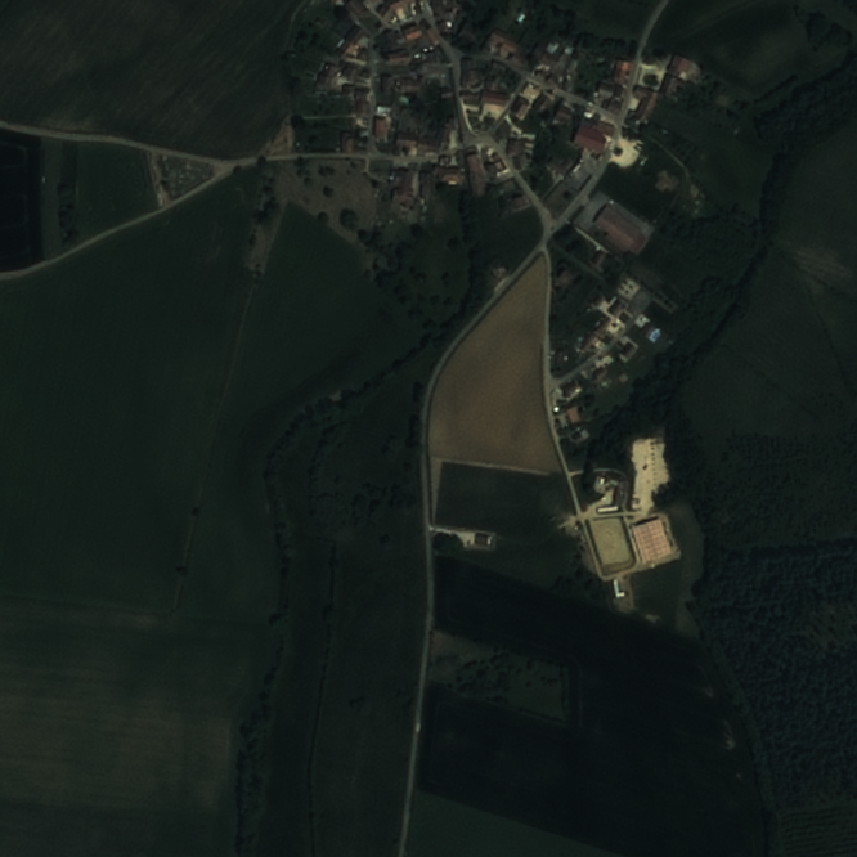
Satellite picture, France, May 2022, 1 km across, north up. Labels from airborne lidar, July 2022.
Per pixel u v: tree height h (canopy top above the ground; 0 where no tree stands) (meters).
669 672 0
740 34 0
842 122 16
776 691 25
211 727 0
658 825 0
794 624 26
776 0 0
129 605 0
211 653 0
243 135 0
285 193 0
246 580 0
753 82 0
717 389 0
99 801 0
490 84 0
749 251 12
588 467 10
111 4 0
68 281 0
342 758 0
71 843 0
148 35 0
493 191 14
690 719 0
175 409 0
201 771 0
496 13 14
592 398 9
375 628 0
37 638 0
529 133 0
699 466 17
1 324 0
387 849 0
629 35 0
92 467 0
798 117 21
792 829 7
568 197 11
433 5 0
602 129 0
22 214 0
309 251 0
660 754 0
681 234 10
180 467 0
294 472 0
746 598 28
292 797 0
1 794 0
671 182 0
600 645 0
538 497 0
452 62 0
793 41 0
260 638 0
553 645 0
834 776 33
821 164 0
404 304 15
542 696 0
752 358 0
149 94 0
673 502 21
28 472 0
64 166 0
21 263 0
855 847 7
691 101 6
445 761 0
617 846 0
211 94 0
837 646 8
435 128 8
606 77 9
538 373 0
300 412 0
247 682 0
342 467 0
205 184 0
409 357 7
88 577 0
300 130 19
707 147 0
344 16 13
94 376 0
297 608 0
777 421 0
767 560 25
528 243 0
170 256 0
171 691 0
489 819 0
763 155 0
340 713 0
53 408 0
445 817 0
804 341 0
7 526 0
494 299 0
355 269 0
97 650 0
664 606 0
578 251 13
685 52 0
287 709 0
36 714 0
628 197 0
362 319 0
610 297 0
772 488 7
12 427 0
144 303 0
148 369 0
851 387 7
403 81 0
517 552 0
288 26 0
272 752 0
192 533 0
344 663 0
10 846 0
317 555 0
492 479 0
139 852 0
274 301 0
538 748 0
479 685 11
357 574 0
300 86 12
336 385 0
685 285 0
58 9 0
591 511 0
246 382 0
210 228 0
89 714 0
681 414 16
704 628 18
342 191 0
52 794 0
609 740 0
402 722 0
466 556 0
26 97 0
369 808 0
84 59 0
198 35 0
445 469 0
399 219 0
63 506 0
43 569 0
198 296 0
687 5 0
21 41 0
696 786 0
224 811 0
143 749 0
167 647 0
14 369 0
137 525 0
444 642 0
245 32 0
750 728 21
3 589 0
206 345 0
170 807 0
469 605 0
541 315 0
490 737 0
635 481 0
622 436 17
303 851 0
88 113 0
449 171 0
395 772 0
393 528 0
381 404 0
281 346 0
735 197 0
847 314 0
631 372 0
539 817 0
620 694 0
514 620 0
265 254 0
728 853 0
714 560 20
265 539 0
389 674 0
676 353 9
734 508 6
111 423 0
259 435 0
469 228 16
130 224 0
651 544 0
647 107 0
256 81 0
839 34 18
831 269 0
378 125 0
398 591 0
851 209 0
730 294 15
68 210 9
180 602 0
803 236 0
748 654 26
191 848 0
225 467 0
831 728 30
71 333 0
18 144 0
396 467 0
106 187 0
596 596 8
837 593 27
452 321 8
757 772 11
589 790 0
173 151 0
